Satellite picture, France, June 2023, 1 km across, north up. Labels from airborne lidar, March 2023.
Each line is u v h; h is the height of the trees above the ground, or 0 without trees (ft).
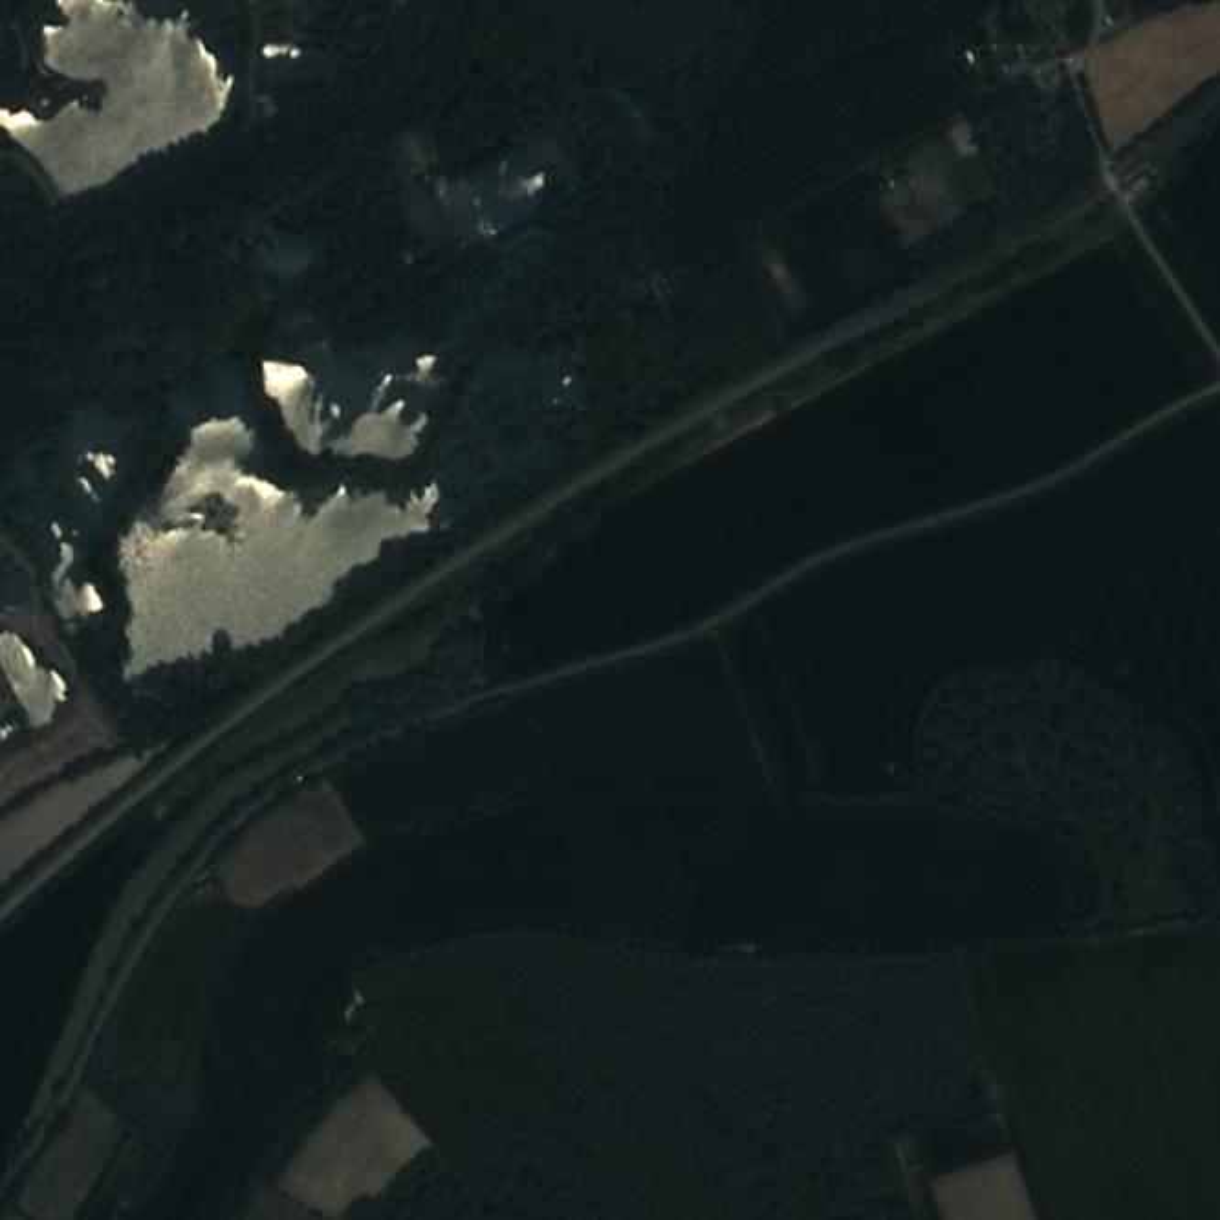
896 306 0
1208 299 0
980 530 0
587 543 0
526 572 63
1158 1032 0
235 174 68
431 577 0
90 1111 0
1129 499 0
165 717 30
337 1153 0
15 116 0
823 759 0
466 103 51
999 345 0
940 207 0
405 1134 0
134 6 0
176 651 0
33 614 91
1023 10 69
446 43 78
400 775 0
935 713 35
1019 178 69
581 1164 25
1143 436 0
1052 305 0
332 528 0
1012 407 0
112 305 55
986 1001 0
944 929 0
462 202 0
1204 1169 0
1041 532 0
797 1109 18
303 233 47
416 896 0
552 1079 0
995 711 51
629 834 0
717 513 0
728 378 34
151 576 0
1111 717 60
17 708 84
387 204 56
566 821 0
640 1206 22
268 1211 0
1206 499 0
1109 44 0
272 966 0
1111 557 0
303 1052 0
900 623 0
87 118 0
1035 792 21
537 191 0
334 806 0
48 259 75
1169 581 0
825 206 0
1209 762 0
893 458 0
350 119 74
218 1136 0
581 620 0
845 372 0
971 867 0
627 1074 0
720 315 99
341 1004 0
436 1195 32
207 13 0
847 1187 54
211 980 0
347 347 29
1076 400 0
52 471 20
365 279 82
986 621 0
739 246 86
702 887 0
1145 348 0
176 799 0
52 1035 0
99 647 45
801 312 0
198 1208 0
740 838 0
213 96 0
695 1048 0
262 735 0
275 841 0
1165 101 0
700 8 75
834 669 0
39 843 0
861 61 27
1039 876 0
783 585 0
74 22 0
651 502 0
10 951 0
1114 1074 0
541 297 63
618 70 65
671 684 0
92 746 80
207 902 0
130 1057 18
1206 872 41
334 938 0
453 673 43
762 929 0
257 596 0
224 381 0
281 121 39
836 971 21
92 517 0
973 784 35
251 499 0
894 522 0
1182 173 0
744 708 0
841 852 0
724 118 39
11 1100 0
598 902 0
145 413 54
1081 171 54
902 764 0
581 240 49
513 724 0
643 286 45
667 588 0
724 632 0
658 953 20
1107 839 21
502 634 0
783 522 0
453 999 0
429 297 39
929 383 0
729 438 0
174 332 21
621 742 0
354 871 0
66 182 0
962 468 0
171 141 0
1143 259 0
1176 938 0
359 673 0
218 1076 0
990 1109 0
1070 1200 0
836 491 0
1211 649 0
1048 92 24
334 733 0
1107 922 24
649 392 21
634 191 49
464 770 0
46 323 81
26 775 74
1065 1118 0
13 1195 34
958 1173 0
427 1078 0
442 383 59
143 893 0
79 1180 0
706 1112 27
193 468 0
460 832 0
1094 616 0
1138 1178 0
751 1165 25
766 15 36
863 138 64
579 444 21
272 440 84
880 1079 19
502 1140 20
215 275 55
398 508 0
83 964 34
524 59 29
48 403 18
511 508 26
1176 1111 0
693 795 0
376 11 60
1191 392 0
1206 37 0
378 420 0
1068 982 0
